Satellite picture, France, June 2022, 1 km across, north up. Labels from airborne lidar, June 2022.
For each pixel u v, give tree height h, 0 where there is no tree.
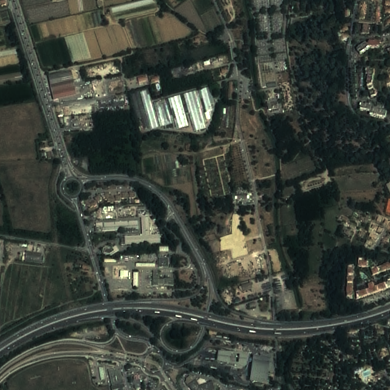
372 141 13
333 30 8
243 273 0
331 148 16
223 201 14
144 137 14
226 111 0
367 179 0
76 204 0
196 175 8
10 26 15
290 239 7
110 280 0
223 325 0
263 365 0
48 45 0
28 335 0
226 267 0
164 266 0
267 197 13
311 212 9
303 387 26
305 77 28
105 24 19
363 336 6
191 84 6
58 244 0
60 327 0
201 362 0
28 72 11
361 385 16
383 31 6
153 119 0
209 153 0
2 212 0
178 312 0
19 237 0
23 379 0
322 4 25
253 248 0
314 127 22
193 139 20
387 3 0
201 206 15
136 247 12
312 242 10
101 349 0
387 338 10
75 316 0
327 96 20
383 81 17
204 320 0
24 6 0
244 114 0
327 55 7
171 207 0
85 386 0
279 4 0
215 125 7
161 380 0
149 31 0
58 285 0
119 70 6
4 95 0
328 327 0
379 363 11
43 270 0
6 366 0
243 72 11
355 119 14
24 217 0
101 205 9
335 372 12
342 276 24
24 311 0
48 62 0
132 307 0
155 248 13
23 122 0
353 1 10
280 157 11
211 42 7
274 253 0
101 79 12
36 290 0
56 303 0
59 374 0
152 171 0
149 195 10
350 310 19
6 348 0
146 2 0
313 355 11
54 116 0
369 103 14
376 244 0
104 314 0
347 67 16
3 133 0
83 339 0
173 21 0
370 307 8
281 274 0
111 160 8
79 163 0
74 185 15
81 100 0
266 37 10
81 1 0
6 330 7
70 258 6
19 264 0
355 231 0
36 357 0
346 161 17
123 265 0
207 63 0
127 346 0
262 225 0
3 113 0
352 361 8
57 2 0
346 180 0
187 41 8
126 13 0
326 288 8
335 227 0
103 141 14
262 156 0
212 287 0
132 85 0
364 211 14
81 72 10
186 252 18
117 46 0
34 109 0
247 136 0
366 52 10
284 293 0
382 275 6
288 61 7
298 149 15
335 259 17
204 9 0
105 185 8
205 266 0
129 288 0
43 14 0
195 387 0
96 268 0
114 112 7
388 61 20
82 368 0
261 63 0
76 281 7
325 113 16
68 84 0
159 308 0
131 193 0
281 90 7
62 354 0
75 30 0
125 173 15
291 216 0
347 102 0
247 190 7
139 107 0
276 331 0
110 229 0
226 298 0
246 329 0
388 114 18
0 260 0
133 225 0
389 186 0
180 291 13
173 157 0
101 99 0
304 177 14
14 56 0
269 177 0
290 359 20
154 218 13
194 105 0
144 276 0
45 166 0
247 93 0
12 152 0
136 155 12
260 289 0
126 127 15
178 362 11
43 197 0
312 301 0
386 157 16
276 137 16
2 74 0
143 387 11
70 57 0
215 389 0
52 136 0
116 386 0
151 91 13
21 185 0
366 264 0
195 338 0
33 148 0
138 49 11
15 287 0
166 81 8
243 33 8
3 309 0
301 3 9
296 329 0
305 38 19
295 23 8
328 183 9
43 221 0
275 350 9
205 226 10
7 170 0
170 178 0
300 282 10
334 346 12
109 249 0
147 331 0
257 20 10
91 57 0
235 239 0
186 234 0
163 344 0
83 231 0
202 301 9
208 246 9
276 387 14
